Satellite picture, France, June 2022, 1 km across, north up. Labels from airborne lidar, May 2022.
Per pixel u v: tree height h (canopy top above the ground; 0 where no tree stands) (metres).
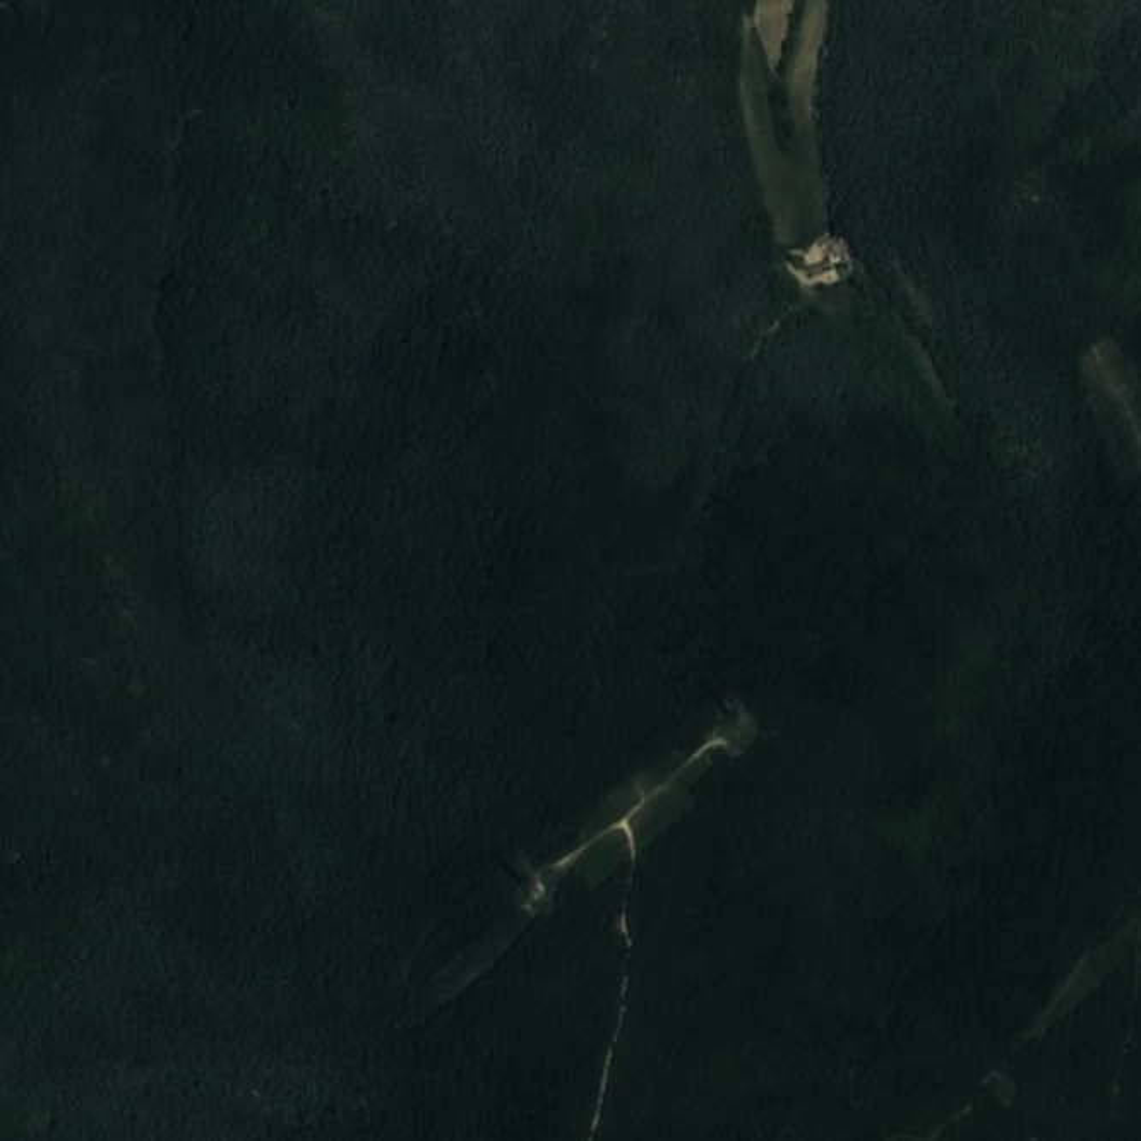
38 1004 9
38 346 7
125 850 15
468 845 9
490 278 8
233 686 6
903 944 12
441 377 10
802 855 6
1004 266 10
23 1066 7
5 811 8
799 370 6
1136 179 6
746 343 7
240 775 7
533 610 11
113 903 8
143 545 6
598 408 10
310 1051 8
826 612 10
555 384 8
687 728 8
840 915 9
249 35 10
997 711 13
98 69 6
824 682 11
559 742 8
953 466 14
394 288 8
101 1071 6
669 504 10
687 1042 7
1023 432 6
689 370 6
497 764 13
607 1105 7
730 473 7
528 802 9
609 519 10
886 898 12
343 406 9
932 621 10
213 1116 7
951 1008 11
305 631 10
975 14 8
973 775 13
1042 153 8
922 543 16
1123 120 7
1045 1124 8
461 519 9
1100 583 14
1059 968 8
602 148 6
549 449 9
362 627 10
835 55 9
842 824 8
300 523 9
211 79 8
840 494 11
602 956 8
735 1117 8
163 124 10
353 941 10
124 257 8
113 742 7
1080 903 7
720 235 6
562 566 9
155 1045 7
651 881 8
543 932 7
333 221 11
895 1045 9
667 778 0
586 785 7
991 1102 9
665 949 7
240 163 10
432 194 7
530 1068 12
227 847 9
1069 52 9
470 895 10
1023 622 8
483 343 8
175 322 12
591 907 7
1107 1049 7
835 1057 9
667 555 8
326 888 8
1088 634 11
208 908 10
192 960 7
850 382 6
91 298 9
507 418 9
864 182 7
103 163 6
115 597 6
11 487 7
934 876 12
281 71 11
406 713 7
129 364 9
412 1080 10
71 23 8
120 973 6
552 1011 8
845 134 6
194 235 8
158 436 10
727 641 9
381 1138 9
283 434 11
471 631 12
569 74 8
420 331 9
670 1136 11
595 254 8
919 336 8
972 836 8
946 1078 8
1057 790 10
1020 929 10
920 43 6
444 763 7
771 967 10
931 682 12
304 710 11
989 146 6
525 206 8
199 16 15
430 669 11
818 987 12
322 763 9
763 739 7
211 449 10
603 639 9
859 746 9
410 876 8
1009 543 8
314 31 7
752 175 6
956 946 15
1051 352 6
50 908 5
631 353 7
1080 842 11
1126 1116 8
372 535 8
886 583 14
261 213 9
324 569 10
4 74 8
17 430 7
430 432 10
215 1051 6
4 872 15
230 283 6
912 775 10
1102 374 0
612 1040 6
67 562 9
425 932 8
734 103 7
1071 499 10
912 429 8
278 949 8
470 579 11
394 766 10
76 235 7
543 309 8
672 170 7
